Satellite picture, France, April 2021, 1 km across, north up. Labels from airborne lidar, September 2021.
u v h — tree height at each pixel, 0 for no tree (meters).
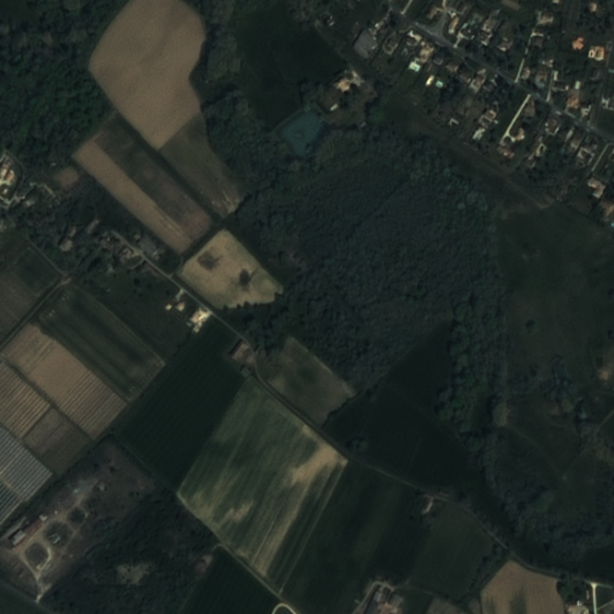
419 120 0
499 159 0
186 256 0
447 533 0
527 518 25
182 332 0
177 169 0
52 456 0
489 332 21
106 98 15
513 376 6
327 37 0
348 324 15
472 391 22
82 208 12
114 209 16
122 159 0
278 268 0
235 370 0
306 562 0
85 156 0
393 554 0
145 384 0
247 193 0
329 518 0
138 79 0
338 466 0
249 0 21
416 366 0
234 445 0
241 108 36
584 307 0
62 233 14
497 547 8
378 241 18
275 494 0
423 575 0
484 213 20
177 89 0
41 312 0
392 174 10
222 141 20
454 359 9
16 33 13
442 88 6
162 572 7
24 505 0
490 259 14
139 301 0
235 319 0
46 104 27
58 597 15
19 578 0
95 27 24
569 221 0
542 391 13
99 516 12
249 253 0
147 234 14
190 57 0
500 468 9
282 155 15
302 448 0
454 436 7
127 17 0
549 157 10
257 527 0
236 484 0
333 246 8
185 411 0
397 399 0
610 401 0
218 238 0
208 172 0
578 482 0
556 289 0
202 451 0
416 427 0
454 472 0
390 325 8
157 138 0
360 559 0
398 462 0
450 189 17
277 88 0
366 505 0
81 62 24
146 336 0
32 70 18
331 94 16
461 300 14
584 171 7
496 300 17
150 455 0
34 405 0
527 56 8
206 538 7
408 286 15
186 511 13
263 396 0
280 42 0
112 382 0
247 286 0
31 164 8
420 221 13
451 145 0
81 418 0
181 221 0
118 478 11
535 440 0
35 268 0
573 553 24
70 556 0
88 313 0
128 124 0
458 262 14
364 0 0
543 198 0
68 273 17
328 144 31
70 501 0
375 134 24
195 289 0
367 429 0
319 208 11
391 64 9
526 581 0
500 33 10
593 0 11
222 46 36
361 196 10
